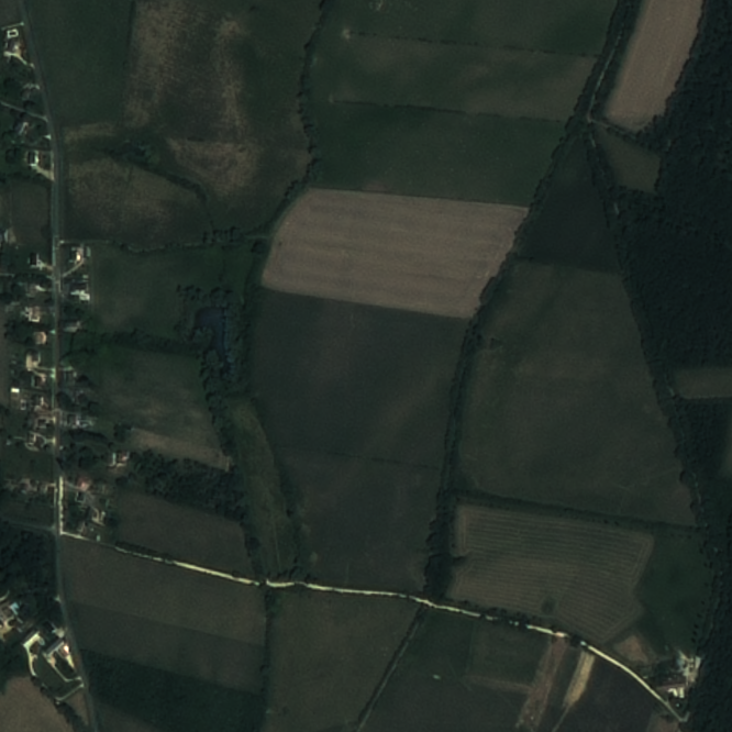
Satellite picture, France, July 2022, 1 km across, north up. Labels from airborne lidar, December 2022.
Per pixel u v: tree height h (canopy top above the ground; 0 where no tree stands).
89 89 0
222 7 0
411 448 0
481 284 0
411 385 0
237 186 0
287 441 0
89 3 0
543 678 0
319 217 0
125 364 0
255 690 0
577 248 0
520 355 0
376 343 0
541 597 0
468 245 0
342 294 0
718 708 15
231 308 19
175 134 0
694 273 21
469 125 0
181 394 0
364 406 0
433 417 0
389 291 0
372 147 0
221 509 17
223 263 0
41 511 0
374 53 0
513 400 0
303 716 0
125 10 0
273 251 0
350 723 0
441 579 14
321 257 0
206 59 0
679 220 19
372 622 0
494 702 0
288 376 0
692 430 7
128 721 0
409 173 0
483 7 0
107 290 0
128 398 0
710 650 14
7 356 0
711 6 14
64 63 0
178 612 0
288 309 0
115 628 0
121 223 0
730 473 0
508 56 0
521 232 9
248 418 0
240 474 18
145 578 0
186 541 0
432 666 0
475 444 0
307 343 0
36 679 11
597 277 0
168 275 0
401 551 0
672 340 16
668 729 0
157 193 0
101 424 0
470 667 0
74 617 0
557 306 0
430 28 0
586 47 0
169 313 0
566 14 0
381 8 0
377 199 0
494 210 0
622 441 0
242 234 14
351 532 0
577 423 0
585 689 0
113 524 13
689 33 0
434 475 0
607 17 0
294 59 0
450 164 0
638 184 0
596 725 0
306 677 0
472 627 0
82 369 0
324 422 0
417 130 0
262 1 0
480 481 0
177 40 0
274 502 0
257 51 0
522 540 0
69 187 0
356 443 0
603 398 0
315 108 0
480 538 0
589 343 0
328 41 0
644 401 0
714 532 14
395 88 0
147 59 0
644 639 0
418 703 0
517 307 0
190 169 0
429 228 0
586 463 0
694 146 20
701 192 18
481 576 0
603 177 15
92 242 0
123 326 0
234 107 0
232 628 0
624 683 0
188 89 0
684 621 0
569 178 0
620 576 0
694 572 0
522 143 0
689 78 13
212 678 0
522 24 0
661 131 20
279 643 0
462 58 0
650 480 0
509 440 0
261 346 0
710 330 19
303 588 10
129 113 0
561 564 0
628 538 0
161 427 0
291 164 0
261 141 0
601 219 0
